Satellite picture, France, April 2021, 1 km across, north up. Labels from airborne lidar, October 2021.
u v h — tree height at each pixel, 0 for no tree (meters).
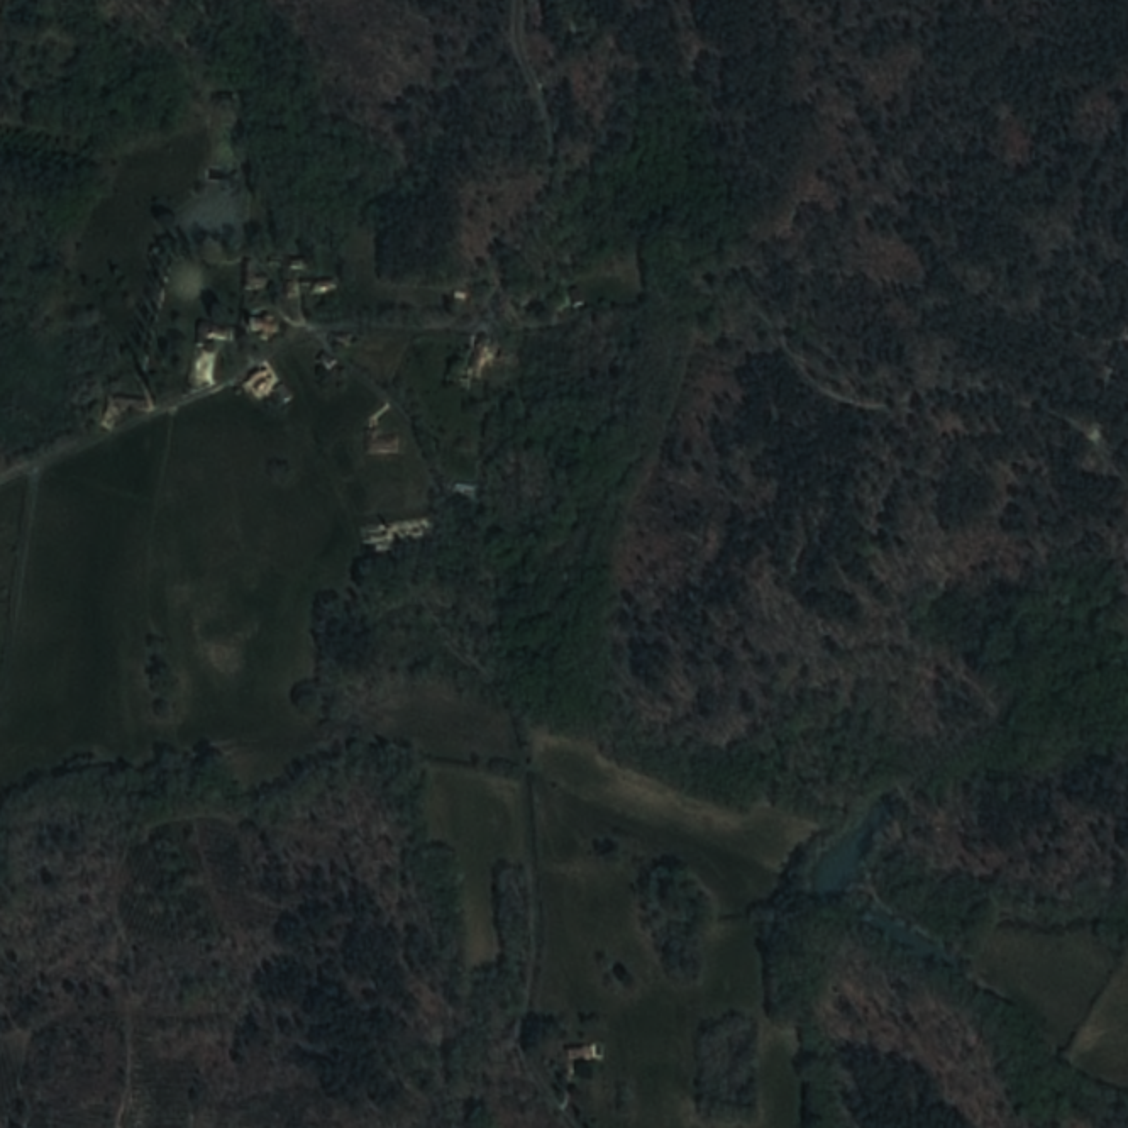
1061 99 10
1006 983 0
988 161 9
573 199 21
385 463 0
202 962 7
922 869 13
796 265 7
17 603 0
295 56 25
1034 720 28
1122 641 16
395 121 23
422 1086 21
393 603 24
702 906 24
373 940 11
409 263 23
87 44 17
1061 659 23
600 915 0
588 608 22
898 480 12
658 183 19
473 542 22
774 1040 0
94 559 0
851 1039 17
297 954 24
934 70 18
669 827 0
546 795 0
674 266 26
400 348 0
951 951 16
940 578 9
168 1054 15
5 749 0
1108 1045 0
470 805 0
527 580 19
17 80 14
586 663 21
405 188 23
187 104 21
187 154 0
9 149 11
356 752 13
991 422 0
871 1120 27
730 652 12
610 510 17
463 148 24
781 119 24
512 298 17
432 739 0
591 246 19
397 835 8
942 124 6
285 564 0
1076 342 23
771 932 24
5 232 22
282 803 21
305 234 22
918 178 17
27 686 0
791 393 14
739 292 19
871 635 16
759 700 11
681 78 29
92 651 0
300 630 0
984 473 0
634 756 16
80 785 19
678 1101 0
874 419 9
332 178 26
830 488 11
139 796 11
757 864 0
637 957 0
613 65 13
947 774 23
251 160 22
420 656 13
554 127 10
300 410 0
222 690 0
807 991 21
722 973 0
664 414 16
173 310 0
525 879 14
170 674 19
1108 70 20
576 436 18
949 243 15
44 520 0
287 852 8
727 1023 12
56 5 16
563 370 10
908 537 11
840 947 22
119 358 10
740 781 20
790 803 23
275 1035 11
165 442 0
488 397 11
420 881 16
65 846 18
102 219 0
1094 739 20
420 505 0
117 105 20
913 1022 12
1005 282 18
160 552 0
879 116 7
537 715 18
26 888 6
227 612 0
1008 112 18
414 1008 16
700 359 6
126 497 0
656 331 17
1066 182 17
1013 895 19
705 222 28
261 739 0
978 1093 8
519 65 13
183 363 17
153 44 17
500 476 22
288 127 25
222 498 0
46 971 7
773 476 9
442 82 15
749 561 11
